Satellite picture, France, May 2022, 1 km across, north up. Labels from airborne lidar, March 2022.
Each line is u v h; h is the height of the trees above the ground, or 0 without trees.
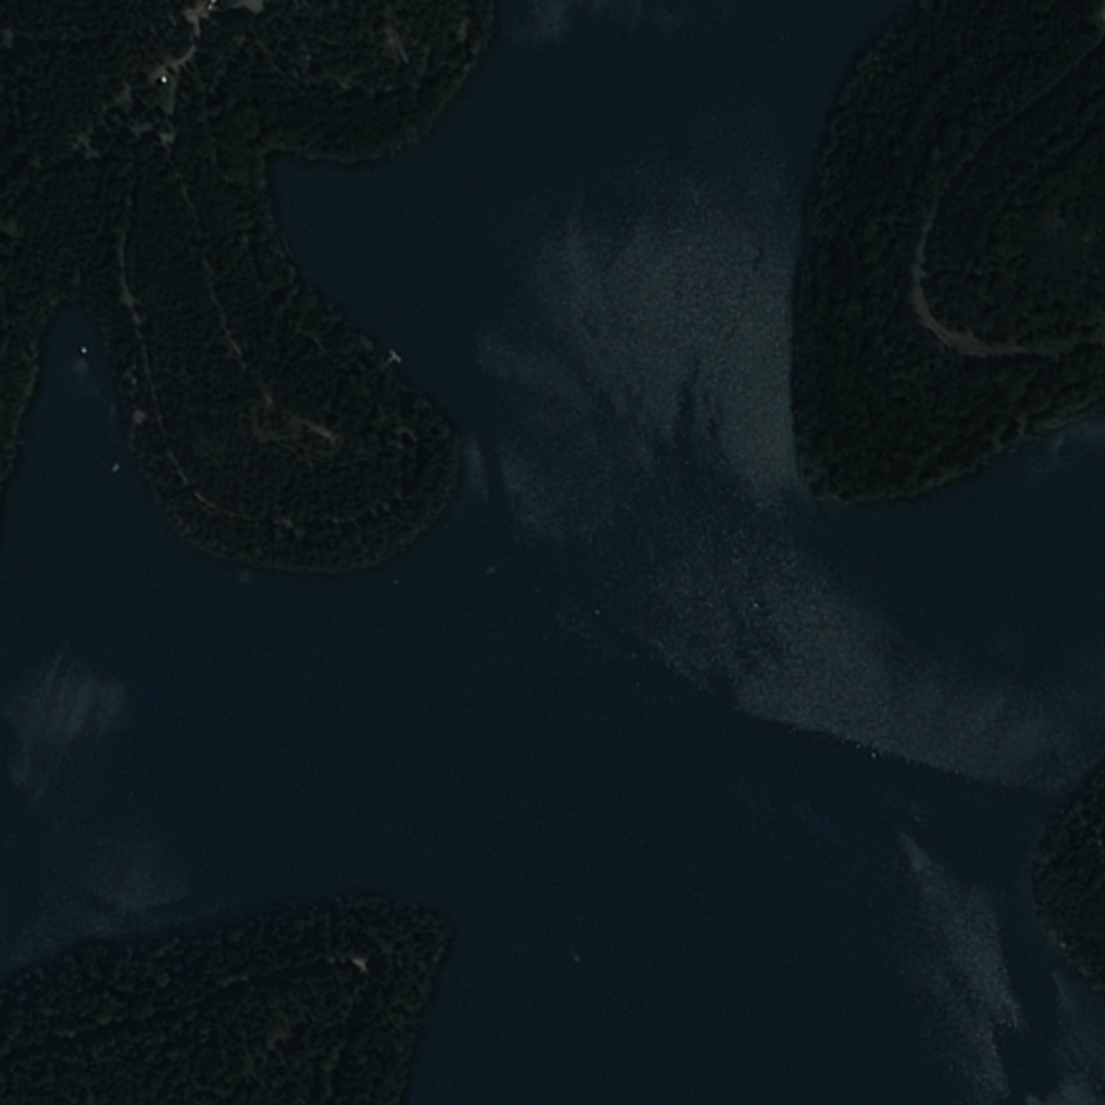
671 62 0
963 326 15
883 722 0
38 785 0
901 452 13
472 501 0
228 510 11
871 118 22
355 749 0
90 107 28
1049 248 23
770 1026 0
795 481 0
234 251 20
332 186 0
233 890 0
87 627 0
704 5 0
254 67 12
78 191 23
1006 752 0
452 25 13
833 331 16
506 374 0
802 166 0
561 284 0
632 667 0
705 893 0
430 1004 0
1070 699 0
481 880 0
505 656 0
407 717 0
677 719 0
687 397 0
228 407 11
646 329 0
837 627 0
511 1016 0
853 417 21
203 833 0
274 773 0
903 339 15
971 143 17
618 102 0
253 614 0
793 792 0
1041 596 0
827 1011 0
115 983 31
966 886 0
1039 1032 0
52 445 0
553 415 0
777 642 0
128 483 0
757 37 0
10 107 21
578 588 0
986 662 0
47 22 22
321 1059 32
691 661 0
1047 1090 0
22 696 0
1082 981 0
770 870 0
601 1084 0
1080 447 0
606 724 0
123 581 0
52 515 0
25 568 0
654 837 0
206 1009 31
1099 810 14
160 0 22
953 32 26
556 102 0
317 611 0
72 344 0
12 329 29
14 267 28
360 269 0
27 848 0
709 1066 0
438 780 0
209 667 0
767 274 0
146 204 14
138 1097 15
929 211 14
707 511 0
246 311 18
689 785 0
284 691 0
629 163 0
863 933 0
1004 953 0
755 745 0
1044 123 18
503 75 0
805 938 0
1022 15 14
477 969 0
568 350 0
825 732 0
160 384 10
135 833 0
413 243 0
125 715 0
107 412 0
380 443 19
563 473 0
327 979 29
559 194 0
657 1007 0
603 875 0
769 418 0
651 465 0
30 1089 17
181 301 9
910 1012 0
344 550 18
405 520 24
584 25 0
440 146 0
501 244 0
